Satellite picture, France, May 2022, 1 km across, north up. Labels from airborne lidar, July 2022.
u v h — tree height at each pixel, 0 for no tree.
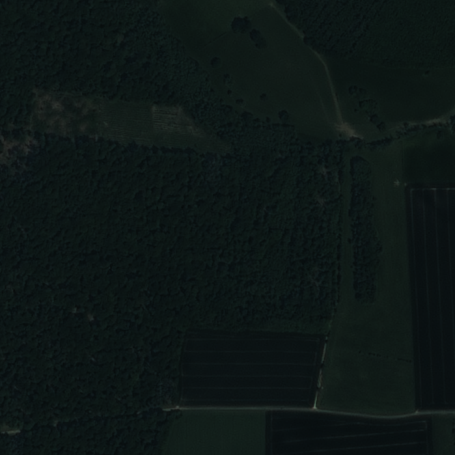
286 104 0
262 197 20
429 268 0
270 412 0
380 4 17
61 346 31
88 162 27
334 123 0
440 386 0
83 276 32
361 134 0
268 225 9
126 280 31
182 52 19
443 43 14
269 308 25
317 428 0
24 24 24
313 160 9
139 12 8
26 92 23
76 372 31
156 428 24
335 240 20
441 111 0
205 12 0
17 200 23
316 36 16
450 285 0
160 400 23
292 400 0
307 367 0
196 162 26
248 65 0
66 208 10
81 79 25
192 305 24
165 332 24
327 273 26
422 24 14
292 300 28
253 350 0
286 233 23
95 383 32
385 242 0
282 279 19
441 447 0
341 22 17
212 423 0
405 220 0
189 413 0
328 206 19
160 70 25
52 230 28
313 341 0
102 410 31
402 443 0
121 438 23
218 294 26
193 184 28
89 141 26
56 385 33
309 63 0
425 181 0
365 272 24
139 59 27
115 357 30
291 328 17
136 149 29
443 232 0
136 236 20
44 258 26
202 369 0
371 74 0
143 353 33
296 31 0
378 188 0
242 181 21
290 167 19
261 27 0
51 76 22
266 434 0
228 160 18
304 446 0
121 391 33
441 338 0
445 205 0
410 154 0
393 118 0
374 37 16
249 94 0
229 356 0
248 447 0
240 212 26
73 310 20
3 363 24
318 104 0
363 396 0
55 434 32
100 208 23
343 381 0
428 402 0
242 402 0
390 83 0
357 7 17
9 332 24
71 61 33
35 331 28
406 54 13
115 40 18
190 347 0
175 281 23
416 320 0
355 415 0
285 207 20
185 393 0
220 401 0
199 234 25
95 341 28
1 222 26
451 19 15
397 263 0
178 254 25
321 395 0
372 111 9
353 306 0
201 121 28
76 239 25
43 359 28
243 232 29
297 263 18
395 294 0
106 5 27
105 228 22
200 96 26
